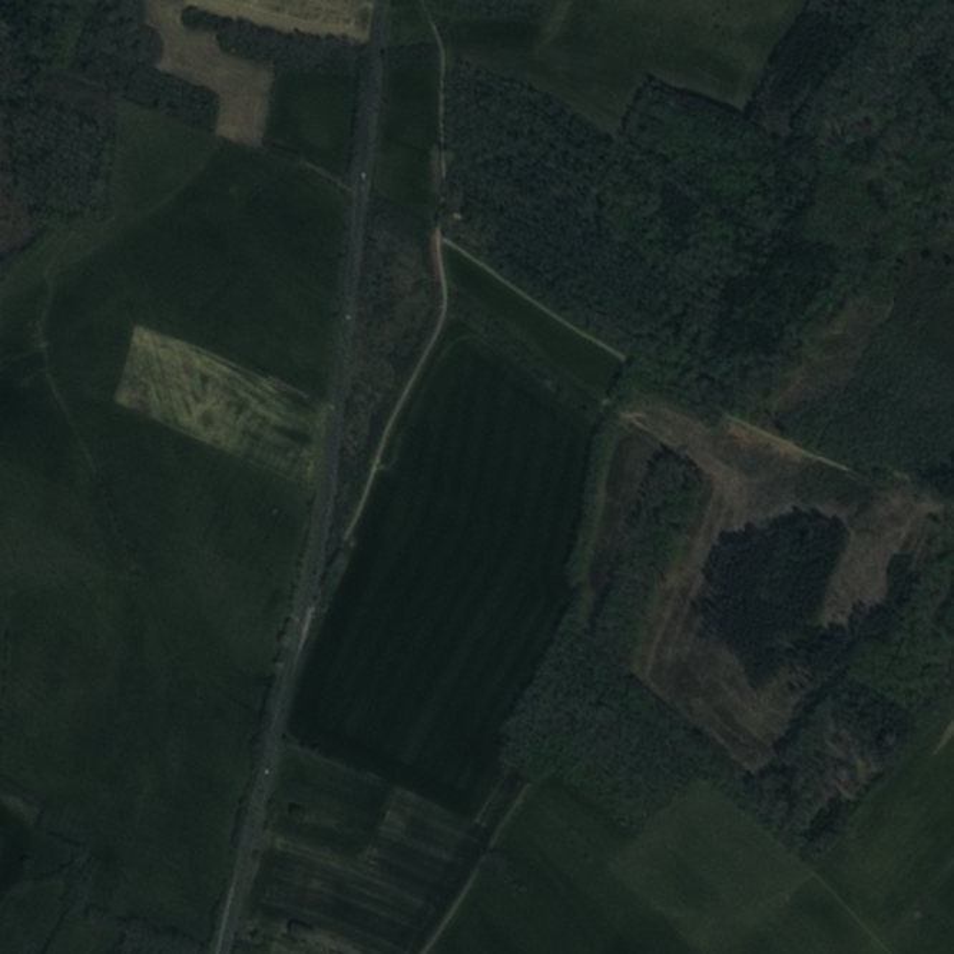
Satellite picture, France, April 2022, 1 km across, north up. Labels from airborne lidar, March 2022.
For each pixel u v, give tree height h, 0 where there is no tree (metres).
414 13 0
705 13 0
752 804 21
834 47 15
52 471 0
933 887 0
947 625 19
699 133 12
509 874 15
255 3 0
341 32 0
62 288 0
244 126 0
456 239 8
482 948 0
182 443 0
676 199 14
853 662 23
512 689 0
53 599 0
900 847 0
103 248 0
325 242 0
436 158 0
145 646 0
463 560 0
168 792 0
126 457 0
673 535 25
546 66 0
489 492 0
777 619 23
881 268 13
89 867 6
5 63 22
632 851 0
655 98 13
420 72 0
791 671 25
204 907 0
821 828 6
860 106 26
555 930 0
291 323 0
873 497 6
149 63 8
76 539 0
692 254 19
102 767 0
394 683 0
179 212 0
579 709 28
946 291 8
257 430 0
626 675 19
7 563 0
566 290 13
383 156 0
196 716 0
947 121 14
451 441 0
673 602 0
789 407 0
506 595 0
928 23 27
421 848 0
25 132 31
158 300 0
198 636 0
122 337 0
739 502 0
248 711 0
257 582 0
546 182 24
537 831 0
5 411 0
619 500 0
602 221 15
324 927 0
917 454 11
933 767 0
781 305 12
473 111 10
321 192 0
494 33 0
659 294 21
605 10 0
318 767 0
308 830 0
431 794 0
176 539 0
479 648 0
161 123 0
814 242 12
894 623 23
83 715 0
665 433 0
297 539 0
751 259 9
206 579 0
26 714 0
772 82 18
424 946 0
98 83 0
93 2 28
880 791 15
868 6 26
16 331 0
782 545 25
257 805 0
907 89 24
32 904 0
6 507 0
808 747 26
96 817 0
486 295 0
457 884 0
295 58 15
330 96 0
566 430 0
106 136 32
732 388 21
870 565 0
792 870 0
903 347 8
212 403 0
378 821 0
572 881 0
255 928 0
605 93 0
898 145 27
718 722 0
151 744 0
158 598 0
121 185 0
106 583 0
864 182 12
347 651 0
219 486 0
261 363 0
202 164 0
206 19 7
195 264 0
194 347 0
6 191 0
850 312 24
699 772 20
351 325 0
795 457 26
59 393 0
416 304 0
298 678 0
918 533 0
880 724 19
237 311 0
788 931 0
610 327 14
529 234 18
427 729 0
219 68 0
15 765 0
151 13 0
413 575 0
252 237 0
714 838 0
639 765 26
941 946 0
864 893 0
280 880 0
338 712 0
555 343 0
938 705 17
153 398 0
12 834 0
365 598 0
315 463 0
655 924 0
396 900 0
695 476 26
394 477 0
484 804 0
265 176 0
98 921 16
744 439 28
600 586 0
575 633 15
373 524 0
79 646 0
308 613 0
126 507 0
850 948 0
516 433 0
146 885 0
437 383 0
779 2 0
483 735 0
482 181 19
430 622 0
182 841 0
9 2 30
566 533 0
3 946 0
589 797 18
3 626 0
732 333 12
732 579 27
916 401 9
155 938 20
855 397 8
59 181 31
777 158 11
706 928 0
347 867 0
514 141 13
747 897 0
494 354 0
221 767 0
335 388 0
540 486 0
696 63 0
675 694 0
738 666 23
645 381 17
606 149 24
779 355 14
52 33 19
